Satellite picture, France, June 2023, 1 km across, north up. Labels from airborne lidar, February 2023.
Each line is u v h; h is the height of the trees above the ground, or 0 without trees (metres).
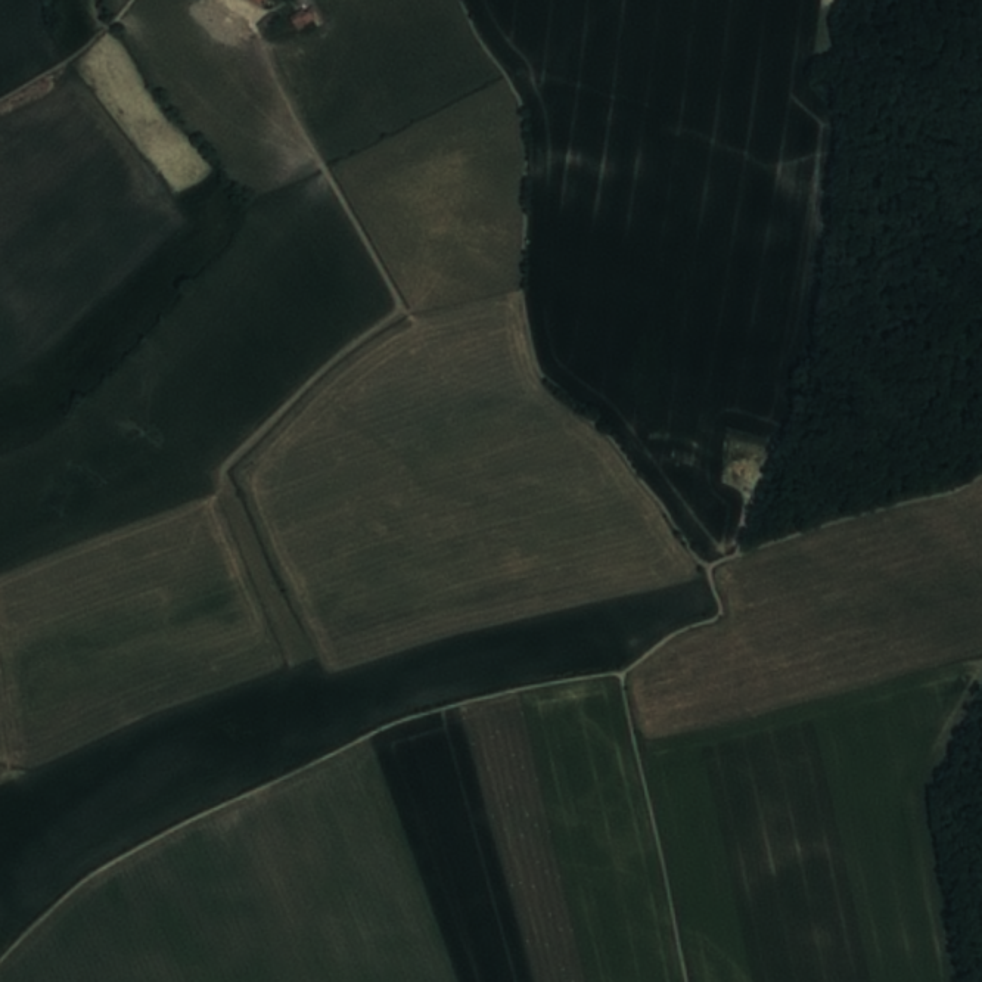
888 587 0
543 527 0
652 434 0
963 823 24
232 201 9
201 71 0
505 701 0
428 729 0
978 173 26
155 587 0
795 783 0
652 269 0
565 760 0
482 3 0
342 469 0
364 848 0
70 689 0
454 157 0
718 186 0
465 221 0
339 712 0
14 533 0
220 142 0
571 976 0
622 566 0
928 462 25
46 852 0
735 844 0
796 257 0
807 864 0
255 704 0
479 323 0
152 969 0
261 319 0
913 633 0
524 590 0
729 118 0
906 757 0
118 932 0
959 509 0
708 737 0
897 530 0
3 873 0
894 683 0
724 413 0
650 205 0
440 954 0
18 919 0
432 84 0
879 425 24
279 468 0
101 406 0
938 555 0
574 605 0
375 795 0
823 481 24
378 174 0
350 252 0
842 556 0
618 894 0
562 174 0
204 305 0
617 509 0
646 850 0
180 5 0
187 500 0
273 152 0
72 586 0
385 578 0
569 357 0
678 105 0
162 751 0
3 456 0
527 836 0
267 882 0
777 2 0
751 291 0
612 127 0
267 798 0
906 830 0
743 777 0
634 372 0
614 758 0
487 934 0
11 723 0
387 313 0
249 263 0
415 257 0
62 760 0
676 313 0
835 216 22
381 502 0
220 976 0
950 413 21
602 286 0
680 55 0
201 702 0
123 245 0
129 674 0
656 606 0
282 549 0
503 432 0
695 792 0
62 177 0
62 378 0
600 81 0
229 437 0
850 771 0
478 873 0
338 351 0
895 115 27
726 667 0
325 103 0
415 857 0
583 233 0
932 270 26
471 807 0
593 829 0
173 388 0
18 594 0
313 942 0
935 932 0
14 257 0
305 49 0
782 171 0
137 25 0
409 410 0
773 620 0
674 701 0
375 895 0
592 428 0
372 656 0
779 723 0
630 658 0
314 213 0
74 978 0
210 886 0
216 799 0
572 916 0
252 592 0
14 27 0
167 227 0
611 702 0
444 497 0
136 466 0
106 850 0
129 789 0
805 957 0
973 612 0
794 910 0
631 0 0
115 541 0
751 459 0
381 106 0
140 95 0
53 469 0
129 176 0
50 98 0
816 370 21
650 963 0
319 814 0
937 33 28
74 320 0
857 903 0
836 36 15
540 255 0
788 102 0
